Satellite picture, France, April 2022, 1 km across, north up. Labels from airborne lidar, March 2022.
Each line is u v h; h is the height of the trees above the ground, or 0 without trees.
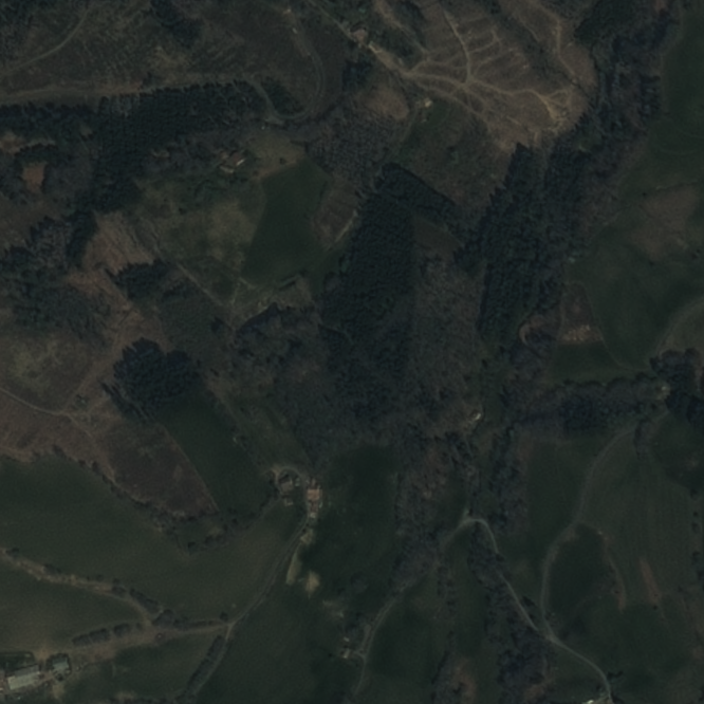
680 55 0
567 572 0
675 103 0
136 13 0
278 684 0
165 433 0
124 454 0
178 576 0
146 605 19
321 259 0
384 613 0
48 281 23
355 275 28
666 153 0
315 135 28
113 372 0
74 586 0
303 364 28
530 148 0
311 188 0
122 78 0
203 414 0
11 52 18
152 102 16
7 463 0
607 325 0
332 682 0
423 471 21
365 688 0
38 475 0
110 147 15
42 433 0
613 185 16
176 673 0
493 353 0
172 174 23
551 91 0
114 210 27
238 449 0
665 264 0
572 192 18
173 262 0
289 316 8
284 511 0
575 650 0
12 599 0
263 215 0
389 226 21
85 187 33
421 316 20
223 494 0
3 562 0
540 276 37
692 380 30
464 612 0
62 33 0
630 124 21
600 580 0
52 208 0
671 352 0
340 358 28
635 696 0
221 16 0
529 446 0
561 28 0
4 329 0
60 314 24
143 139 17
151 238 0
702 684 0
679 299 0
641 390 23
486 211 14
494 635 18
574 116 0
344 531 0
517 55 0
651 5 8
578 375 0
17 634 0
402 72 24
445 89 0
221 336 32
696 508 0
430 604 0
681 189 0
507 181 0
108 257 0
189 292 17
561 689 0
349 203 0
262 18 0
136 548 0
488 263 36
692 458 0
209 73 0
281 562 0
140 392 40
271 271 0
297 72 0
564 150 22
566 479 0
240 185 23
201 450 0
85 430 0
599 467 0
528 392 22
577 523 0
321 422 20
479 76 0
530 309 26
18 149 0
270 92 8
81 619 0
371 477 0
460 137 0
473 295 21
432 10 0
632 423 26
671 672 0
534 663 27
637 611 0
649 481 0
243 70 0
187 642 0
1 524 0
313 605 0
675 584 0
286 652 0
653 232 0
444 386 20
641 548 0
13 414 0
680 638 0
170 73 0
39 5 23
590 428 30
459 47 0
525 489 16
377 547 0
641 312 0
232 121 14
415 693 0
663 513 0
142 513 0
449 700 26
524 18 0
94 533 0
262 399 0
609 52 21
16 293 23
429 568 19
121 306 0
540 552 0
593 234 12
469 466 32
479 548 23
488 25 0
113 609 0
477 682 0
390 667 0
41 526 0
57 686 0
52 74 0
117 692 0
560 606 0
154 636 0
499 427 8
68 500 0
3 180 25
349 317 22
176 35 20
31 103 0
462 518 0
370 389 18
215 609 0
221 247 0
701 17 0
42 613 0
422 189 33
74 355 0
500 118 0
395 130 24
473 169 7
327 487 0
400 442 20
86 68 0
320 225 0
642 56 14
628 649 0
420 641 0
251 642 0
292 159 0
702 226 0
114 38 0
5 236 0
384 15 0
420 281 23
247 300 0
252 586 0
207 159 16
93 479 0
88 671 0
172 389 41
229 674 0
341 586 0
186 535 0
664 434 0
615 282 0
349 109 24
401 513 20
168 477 0
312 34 0
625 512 0
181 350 5
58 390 0
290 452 0
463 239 27
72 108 0
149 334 0
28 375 0
